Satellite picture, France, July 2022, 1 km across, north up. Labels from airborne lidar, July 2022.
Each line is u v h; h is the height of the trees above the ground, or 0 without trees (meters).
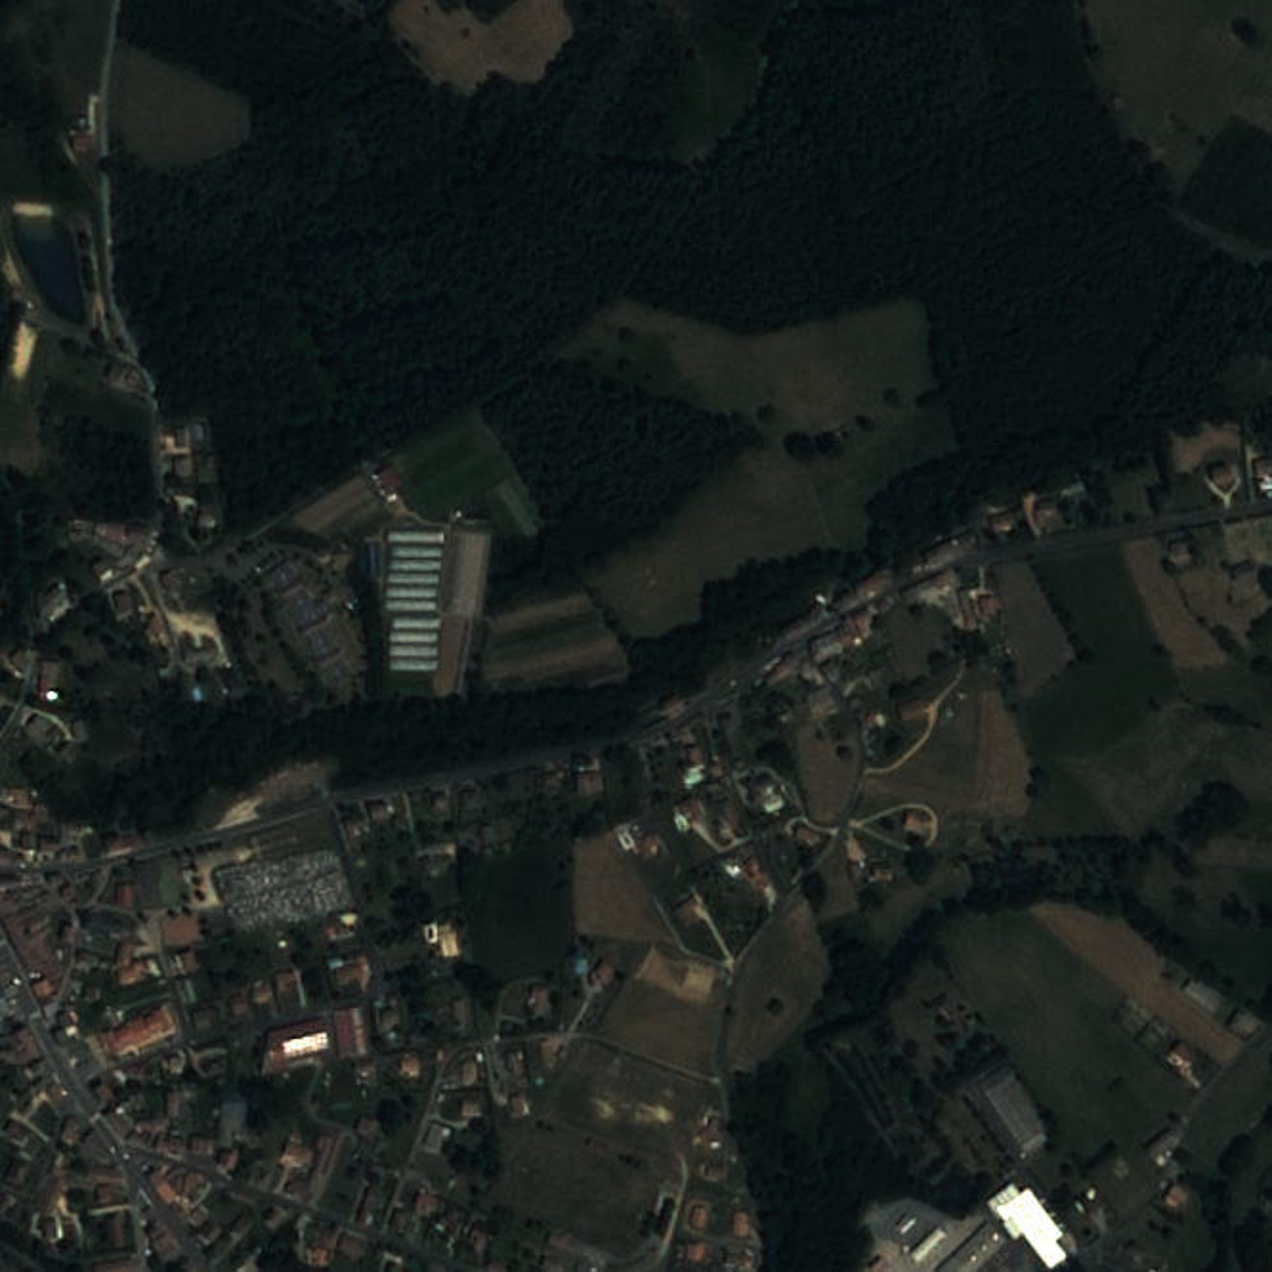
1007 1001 0
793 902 0
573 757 6
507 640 0
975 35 26
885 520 24
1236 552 0
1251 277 22
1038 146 12
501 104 23
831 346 0
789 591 12
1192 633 0
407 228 7
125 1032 0
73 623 10
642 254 10
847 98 29
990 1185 10
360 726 13
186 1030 0
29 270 0
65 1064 0
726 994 0
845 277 9
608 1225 0
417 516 0
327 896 0
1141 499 0
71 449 7
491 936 0
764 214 19
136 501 17
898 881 0
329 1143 0
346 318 16
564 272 20
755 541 0
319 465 15
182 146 0
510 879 0
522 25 0
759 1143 8
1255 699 0
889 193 9
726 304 10
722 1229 0
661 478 25
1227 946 0
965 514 12
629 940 0
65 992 0
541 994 0
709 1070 0
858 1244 16
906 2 28
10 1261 9
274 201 7
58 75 0
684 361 0
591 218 19
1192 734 0
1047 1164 0
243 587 6
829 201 13
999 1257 0
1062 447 22
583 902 0
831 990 14
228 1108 0
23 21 0
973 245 9
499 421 16
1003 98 16
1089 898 17
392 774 9
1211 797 15
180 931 0
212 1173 0
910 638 0
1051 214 9
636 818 0
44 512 14
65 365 0
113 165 13
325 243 10
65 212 0
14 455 0
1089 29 16
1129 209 8
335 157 12
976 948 0
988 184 11
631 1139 0
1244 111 0
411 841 10
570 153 37
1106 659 0
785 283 8
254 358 13
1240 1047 0
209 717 19
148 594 0
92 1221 13
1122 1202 0
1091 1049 0
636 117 6
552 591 15
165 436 0
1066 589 0
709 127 0
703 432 24
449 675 0
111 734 0
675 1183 0
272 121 15
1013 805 0
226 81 9
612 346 0
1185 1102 0
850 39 29
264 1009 0
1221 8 0
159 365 14
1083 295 8
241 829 0
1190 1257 0
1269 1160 0
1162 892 0
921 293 15
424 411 35
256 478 8
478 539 0
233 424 11
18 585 13
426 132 25
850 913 0
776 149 23
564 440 26
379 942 6
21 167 0
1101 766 0
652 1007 0
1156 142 0
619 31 22
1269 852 0
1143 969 0
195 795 8
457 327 33
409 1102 15
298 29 12
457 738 16
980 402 6
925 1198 15
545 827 7
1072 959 0
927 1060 0
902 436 0
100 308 0
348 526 0
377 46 14
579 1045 0
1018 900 19
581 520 18
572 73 15
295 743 9
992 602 0
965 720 0
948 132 13
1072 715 0
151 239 10
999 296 9
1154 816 0
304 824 0
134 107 0
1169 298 6
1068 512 16
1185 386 22
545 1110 0
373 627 10
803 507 0
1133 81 0
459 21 0
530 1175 0
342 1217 0
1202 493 0
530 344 17
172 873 0
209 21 15
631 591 0
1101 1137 0
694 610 0
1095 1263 0
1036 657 0
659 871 0
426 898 15
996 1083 0
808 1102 0
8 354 12
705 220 26
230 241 11
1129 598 0
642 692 19
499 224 18
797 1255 23
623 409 23
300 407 14
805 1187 9
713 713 0
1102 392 8
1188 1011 0
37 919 0
